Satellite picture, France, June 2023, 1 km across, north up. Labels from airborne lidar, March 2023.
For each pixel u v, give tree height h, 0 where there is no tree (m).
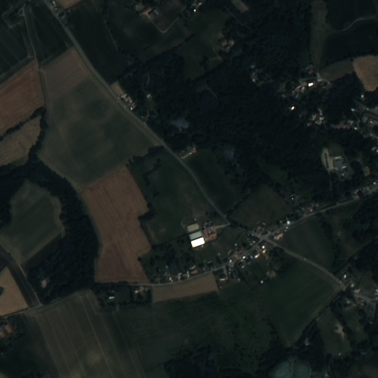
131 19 0
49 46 0
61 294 6
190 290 0
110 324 0
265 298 0
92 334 0
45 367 0
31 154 15
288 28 20
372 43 0
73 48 0
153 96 9
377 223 14
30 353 0
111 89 0
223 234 0
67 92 0
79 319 0
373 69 0
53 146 0
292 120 23
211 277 0
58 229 0
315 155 24
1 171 15
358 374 0
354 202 0
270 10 14
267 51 22
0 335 0
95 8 0
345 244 0
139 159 13
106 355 0
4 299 0
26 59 0
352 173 0
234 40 17
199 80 13
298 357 16
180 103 19
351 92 22
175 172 0
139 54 0
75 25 0
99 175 0
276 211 0
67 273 21
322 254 0
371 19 0
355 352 7
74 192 22
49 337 0
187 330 0
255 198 0
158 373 0
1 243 0
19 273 0
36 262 0
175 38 0
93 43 0
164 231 0
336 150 0
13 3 0
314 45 0
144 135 0
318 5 0
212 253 0
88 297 0
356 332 0
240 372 7
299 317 0
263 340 0
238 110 30
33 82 0
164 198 0
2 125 0
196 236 0
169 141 19
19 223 0
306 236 0
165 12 0
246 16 18
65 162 0
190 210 0
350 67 0
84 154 0
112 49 0
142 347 0
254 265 0
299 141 26
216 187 0
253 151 23
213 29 0
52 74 0
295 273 0
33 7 0
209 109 29
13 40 0
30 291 0
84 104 0
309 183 22
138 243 0
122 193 0
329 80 0
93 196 0
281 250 6
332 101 22
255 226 0
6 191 37
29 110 0
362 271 0
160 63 21
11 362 0
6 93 0
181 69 15
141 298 21
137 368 0
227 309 0
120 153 0
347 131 17
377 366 0
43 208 0
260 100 26
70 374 0
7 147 0
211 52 0
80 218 24
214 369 13
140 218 12
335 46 0
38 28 0
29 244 0
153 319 0
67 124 0
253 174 20
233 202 0
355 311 12
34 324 0
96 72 0
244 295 0
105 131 0
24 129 0
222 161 19
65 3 0
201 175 0
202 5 8
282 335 0
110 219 0
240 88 23
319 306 0
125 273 0
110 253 0
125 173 0
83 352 0
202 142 19
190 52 0
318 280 0
